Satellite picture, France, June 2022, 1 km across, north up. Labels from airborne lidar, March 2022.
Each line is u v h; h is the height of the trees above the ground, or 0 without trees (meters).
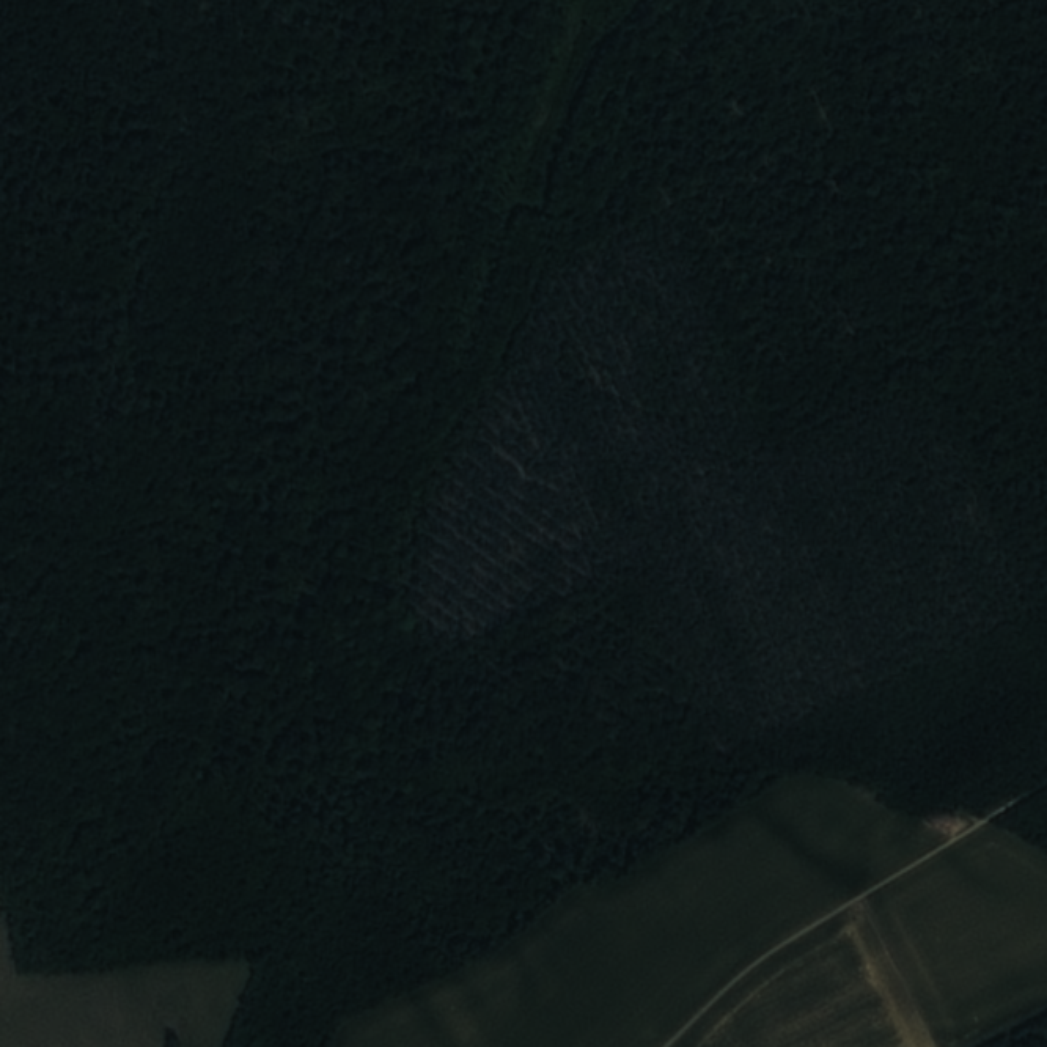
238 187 15
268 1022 7
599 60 15
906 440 12
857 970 0
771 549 12
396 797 19
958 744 17
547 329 12
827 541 15
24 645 18
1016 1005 0
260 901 8
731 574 11
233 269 17
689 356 11
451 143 20
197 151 16
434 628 15
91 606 19
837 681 12
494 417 19
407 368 24
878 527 12
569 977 0
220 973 0
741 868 0
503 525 17
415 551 15
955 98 11
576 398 14
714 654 11
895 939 0
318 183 13
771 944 0
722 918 0
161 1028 0
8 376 23
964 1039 0
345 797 26
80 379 16
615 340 12
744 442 15
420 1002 0
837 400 13
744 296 15
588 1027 0
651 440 14
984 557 14
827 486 11
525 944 0
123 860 16
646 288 13
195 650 20
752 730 12
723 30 22
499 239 16
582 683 18
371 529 19
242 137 18
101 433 21
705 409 13
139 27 13
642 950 0
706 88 14
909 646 11
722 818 12
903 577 12
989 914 0
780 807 0
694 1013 0
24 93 20
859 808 0
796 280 15
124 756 8
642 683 16
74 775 15
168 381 17
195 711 18
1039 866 0
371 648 21
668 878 0
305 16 17
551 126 0
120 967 6
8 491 24
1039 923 0
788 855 0
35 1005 0
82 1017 0
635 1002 0
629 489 13
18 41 19
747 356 13
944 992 0
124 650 17
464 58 19
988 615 9
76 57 15
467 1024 0
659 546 10
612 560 12
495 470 16
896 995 0
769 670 10
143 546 18
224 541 19
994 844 0
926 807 9
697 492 12
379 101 6
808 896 0
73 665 18
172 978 0
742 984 0
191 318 17
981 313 19
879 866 0
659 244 15
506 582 14
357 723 21
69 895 17
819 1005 0
